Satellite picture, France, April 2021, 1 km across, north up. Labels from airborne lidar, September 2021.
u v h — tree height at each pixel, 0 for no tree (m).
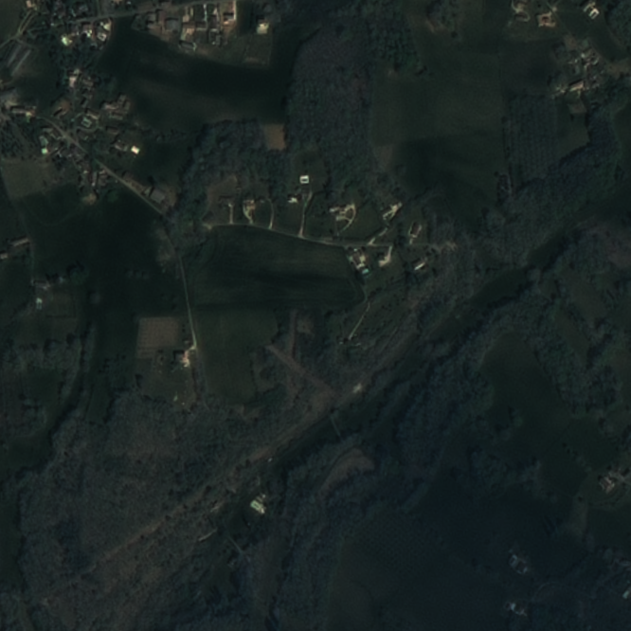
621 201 0
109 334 0
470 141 0
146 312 0
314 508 18
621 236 0
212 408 19
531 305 21
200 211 23
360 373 13
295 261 0
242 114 0
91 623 13
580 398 18
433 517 0
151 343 0
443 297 18
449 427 16
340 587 0
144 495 11
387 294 6
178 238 16
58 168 10
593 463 0
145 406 14
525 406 0
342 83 14
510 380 0
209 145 24
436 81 0
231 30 0
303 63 12
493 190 0
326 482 0
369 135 11
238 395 0
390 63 18
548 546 0
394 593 0
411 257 0
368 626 0
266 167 15
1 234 0
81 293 0
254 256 0
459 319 0
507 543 0
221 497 16
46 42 16
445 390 26
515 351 0
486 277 10
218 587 0
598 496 0
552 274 14
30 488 24
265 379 7
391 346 15
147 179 0
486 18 0
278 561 0
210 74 0
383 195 10
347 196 11
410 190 0
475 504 15
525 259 22
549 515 0
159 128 0
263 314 0
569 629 19
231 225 0
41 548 17
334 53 12
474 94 0
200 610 15
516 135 11
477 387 27
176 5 8
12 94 0
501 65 0
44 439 0
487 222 21
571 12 0
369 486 14
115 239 0
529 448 0
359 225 0
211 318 0
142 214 0
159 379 0
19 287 0
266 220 0
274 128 0
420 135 0
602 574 9
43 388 0
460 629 0
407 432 23
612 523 0
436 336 0
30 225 0
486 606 0
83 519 16
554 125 12
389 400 17
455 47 0
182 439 16
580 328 19
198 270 0
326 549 16
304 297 0
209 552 9
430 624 0
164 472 10
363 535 8
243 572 17
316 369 12
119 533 16
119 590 13
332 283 0
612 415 0
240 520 0
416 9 0
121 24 0
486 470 21
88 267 0
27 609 11
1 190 9
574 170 21
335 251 0
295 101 19
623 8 24
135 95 0
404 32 11
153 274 0
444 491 0
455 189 0
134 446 11
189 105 0
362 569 0
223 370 0
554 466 0
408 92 0
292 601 19
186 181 20
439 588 0
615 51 0
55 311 0
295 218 0
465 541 0
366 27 7
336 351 17
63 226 0
